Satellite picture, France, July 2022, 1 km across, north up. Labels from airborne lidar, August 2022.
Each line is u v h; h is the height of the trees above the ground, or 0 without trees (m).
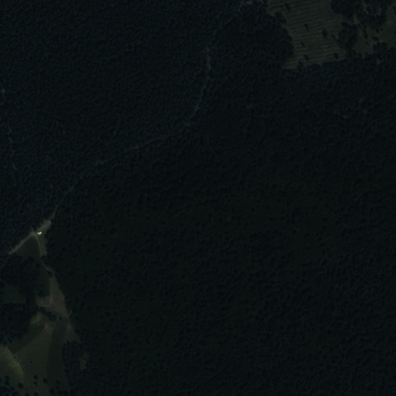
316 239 5
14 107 25
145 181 23
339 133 8
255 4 23
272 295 13
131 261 6
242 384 9
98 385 19
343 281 18
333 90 16
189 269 7
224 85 18
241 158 21
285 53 20
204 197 13
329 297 17
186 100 20
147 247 11
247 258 7
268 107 18
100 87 19
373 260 20
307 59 19
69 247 16
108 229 8
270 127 14
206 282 15
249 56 21
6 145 29
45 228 0
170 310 12
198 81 19
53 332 0
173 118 17
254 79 13
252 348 18
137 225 8
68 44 23
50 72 16
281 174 21
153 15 15
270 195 7
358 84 16
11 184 20
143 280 11
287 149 17
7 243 28
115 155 7
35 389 0
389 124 5
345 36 15
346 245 8
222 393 18
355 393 21
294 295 9
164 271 16
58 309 0
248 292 8
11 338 12
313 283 7
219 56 26
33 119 18
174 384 12
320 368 6
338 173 15
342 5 18
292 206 8
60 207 8
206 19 20
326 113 17
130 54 20
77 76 21
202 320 11
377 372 20
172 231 20
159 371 12
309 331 13
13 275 27
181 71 22
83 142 14
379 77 18
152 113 21
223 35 20
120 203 8
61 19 17
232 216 13
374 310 20
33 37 21
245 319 9
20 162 25
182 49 23
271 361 15
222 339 9
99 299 8
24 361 0
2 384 0
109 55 25
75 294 7
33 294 18
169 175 27
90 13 16
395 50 15
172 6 19
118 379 18
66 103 16
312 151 10
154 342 8
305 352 11
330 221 7
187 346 14
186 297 12
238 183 15
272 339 14
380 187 15
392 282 18
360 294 15
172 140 19
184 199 26
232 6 23
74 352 17
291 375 16
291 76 8
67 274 8
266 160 19
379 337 9
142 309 11
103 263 7
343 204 14
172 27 24
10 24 19
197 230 9
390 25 0
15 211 27
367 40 0
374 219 18
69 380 13
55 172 24
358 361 20
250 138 21
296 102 17
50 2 21
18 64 26
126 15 23
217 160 8
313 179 15
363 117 16
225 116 25
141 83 22
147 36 26
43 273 0
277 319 17
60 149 26
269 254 19
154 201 22
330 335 19
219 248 19
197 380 18
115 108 15
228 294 17
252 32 9
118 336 20
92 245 13
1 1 21
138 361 9
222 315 14
